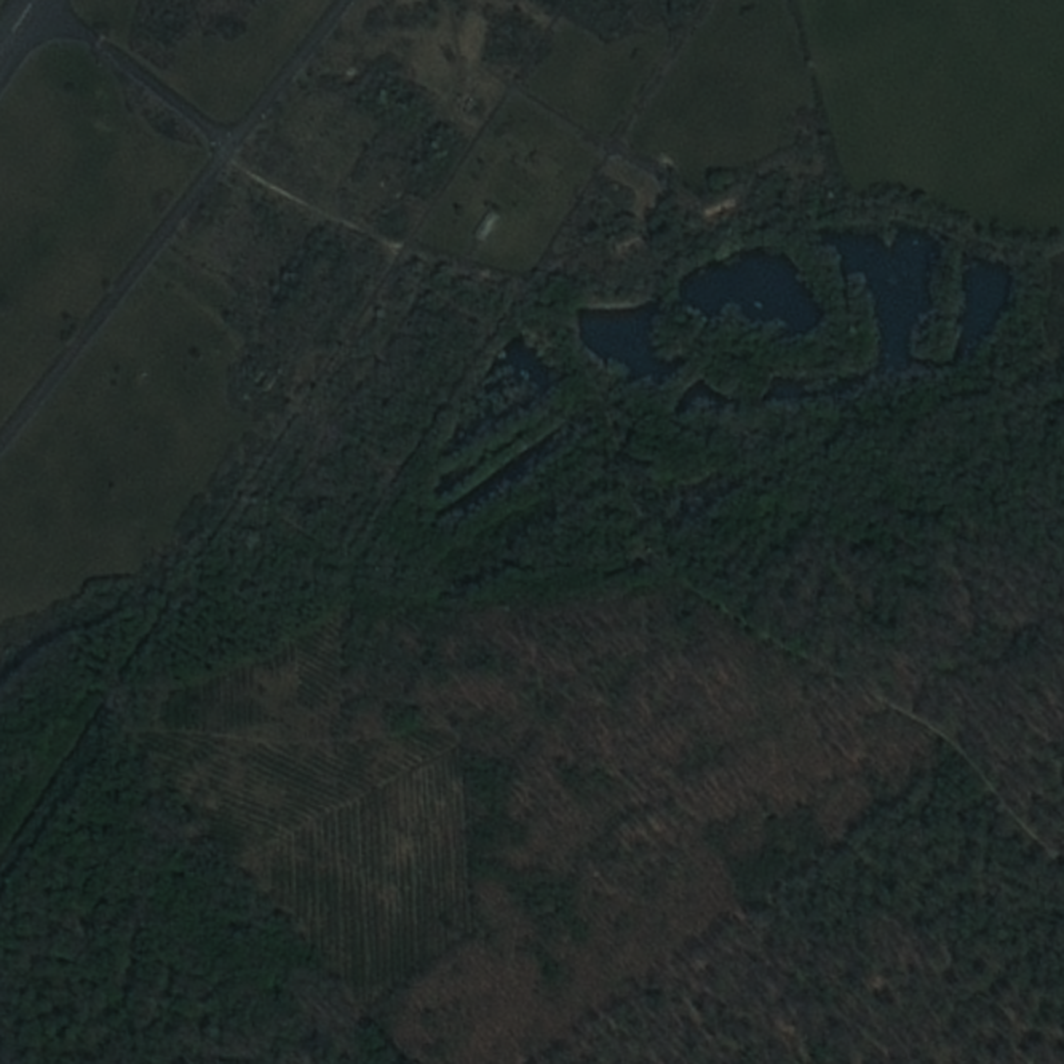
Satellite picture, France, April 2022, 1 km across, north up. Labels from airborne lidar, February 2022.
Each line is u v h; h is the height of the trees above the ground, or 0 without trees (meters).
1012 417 23
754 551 21
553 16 0
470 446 13
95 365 0
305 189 0
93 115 0
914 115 0
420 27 0
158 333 0
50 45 0
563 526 28
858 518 26
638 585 18
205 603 21
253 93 0
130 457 0
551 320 13
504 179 0
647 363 0
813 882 23
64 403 0
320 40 0
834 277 18
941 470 28
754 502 17
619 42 0
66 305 0
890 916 30
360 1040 22
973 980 25
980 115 0
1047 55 0
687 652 10
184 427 0
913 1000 29
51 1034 19
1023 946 26
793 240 17
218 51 0
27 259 0
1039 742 28
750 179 8
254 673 0
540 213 0
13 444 0
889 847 25
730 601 23
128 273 0
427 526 16
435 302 8
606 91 0
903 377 17
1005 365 20
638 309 0
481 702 22
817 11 0
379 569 14
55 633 5
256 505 9
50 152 0
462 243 0
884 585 28
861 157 0
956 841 22
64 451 0
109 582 12
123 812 23
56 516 0
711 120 0
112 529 0
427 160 8
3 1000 29
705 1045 30
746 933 27
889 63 0
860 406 16
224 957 23
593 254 0
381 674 14
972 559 31
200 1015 24
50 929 25
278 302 9
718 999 31
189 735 0
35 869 25
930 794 27
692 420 6
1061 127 0
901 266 0
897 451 24
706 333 12
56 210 0
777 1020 29
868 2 0
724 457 14
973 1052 28
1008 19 0
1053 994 25
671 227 13
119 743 26
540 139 0
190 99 0
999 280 0
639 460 22
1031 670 29
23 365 0
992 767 30
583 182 0
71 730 8
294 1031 28
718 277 0
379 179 0
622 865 23
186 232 0
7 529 0
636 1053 29
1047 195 0
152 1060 27
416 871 0
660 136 0
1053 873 27
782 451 20
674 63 0
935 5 0
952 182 0
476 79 0
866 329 18
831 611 26
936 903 26
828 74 0
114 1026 22
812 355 20
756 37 0
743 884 11
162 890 22
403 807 0
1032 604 31
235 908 28
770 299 0
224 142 0
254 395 6
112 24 0
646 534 19
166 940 23
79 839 21
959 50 0
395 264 0
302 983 31
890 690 22
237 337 0
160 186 0
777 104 0
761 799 19
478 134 0
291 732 0
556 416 13
